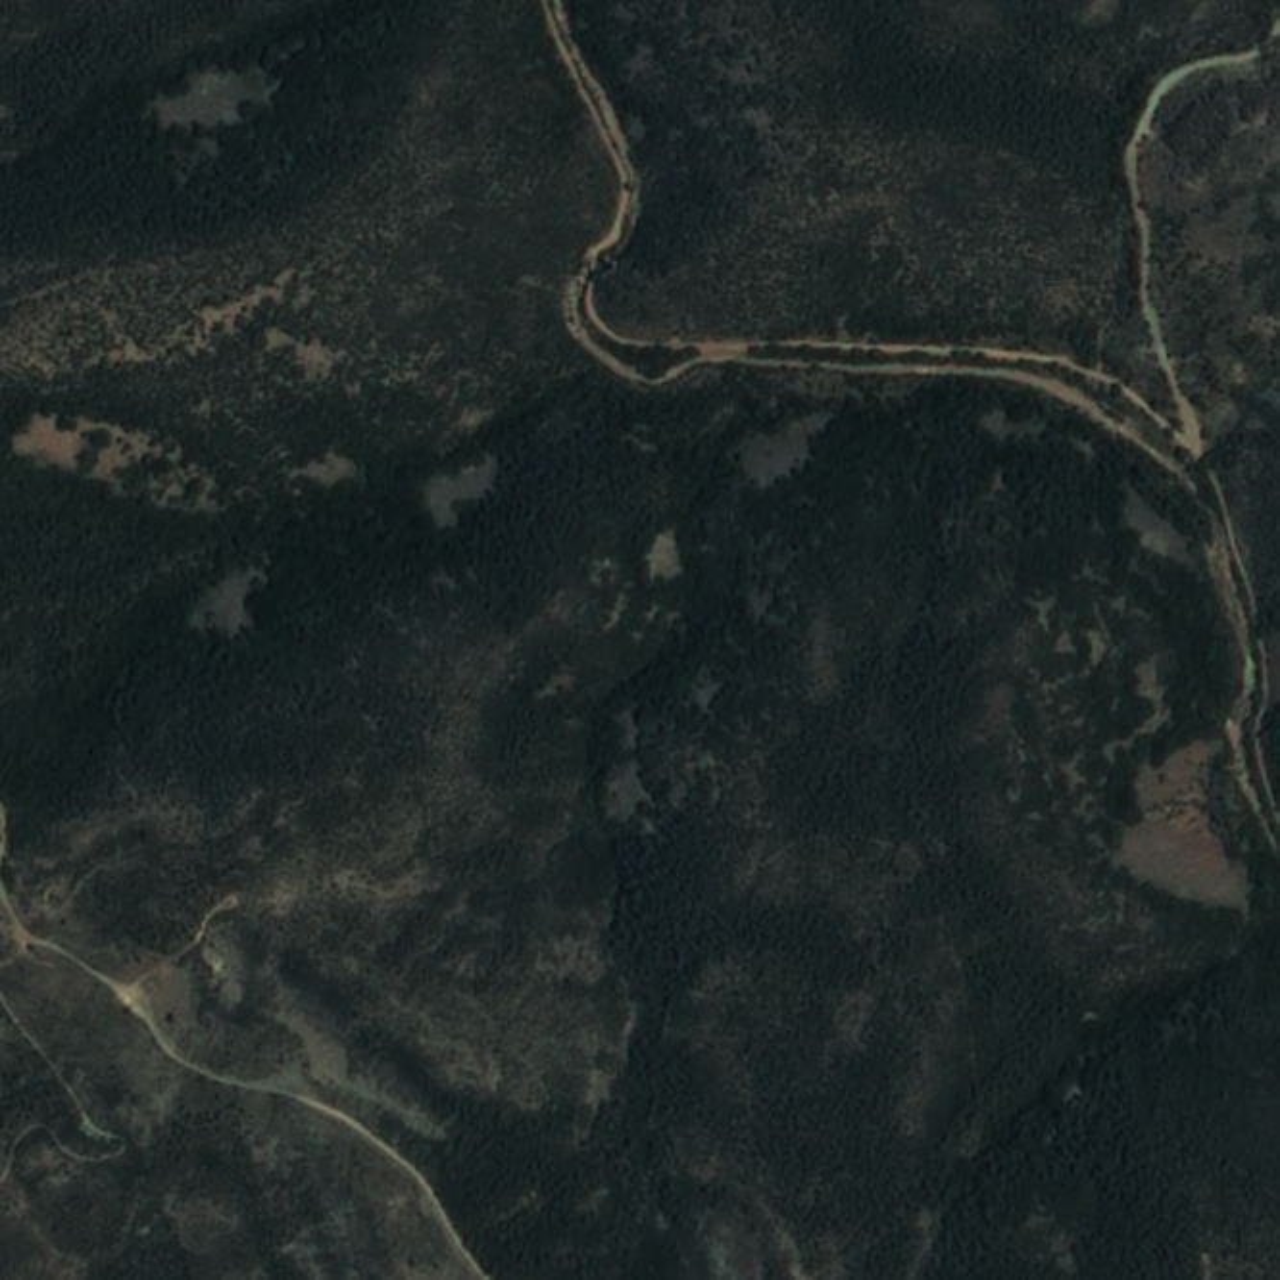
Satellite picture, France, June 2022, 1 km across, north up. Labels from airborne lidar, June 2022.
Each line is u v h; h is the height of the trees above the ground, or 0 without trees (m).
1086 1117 16
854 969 8
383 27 8
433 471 10
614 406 16
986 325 5
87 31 12
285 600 6
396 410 8
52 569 15
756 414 8
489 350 9
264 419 8
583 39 6
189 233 10
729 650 8
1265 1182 8
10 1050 0
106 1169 0
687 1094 7
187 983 0
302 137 7
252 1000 0
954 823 9
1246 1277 7
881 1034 8
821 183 7
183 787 7
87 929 0
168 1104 0
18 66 10
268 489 7
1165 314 7
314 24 12
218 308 7
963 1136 13
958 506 10
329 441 10
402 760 8
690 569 9
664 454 12
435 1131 0
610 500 13
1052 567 6
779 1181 6
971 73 12
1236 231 0
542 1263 11
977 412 8
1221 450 6
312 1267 0
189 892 8
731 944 8
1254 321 0
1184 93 0
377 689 6
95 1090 0
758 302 6
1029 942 8
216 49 10
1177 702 9
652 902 10
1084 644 7
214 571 10
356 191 6
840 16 12
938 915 9
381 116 7
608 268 8
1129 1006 10
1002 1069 13
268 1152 0
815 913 8
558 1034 0
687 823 9
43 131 12
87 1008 0
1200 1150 8
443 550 7
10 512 8
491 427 9
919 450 7
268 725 7
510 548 13
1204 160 11
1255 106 11
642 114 7
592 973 0
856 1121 8
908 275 6
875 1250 9
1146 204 8
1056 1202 9
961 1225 11
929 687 11
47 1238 0
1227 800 9
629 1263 8
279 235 6
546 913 0
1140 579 8
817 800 10
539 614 8
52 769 6
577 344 10
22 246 9
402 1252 0
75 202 11
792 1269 0
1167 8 0
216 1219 0
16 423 11
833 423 8
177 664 8
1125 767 9
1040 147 14
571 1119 9
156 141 12
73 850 0
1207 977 7
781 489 6
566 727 6
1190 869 0
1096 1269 11
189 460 10
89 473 6
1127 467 6
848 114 7
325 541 8
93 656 9
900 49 12
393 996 0
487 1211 8
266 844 6
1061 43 9
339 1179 0
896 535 9
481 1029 0
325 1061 0
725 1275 0
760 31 6
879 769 10
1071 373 6
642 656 6
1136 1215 14
